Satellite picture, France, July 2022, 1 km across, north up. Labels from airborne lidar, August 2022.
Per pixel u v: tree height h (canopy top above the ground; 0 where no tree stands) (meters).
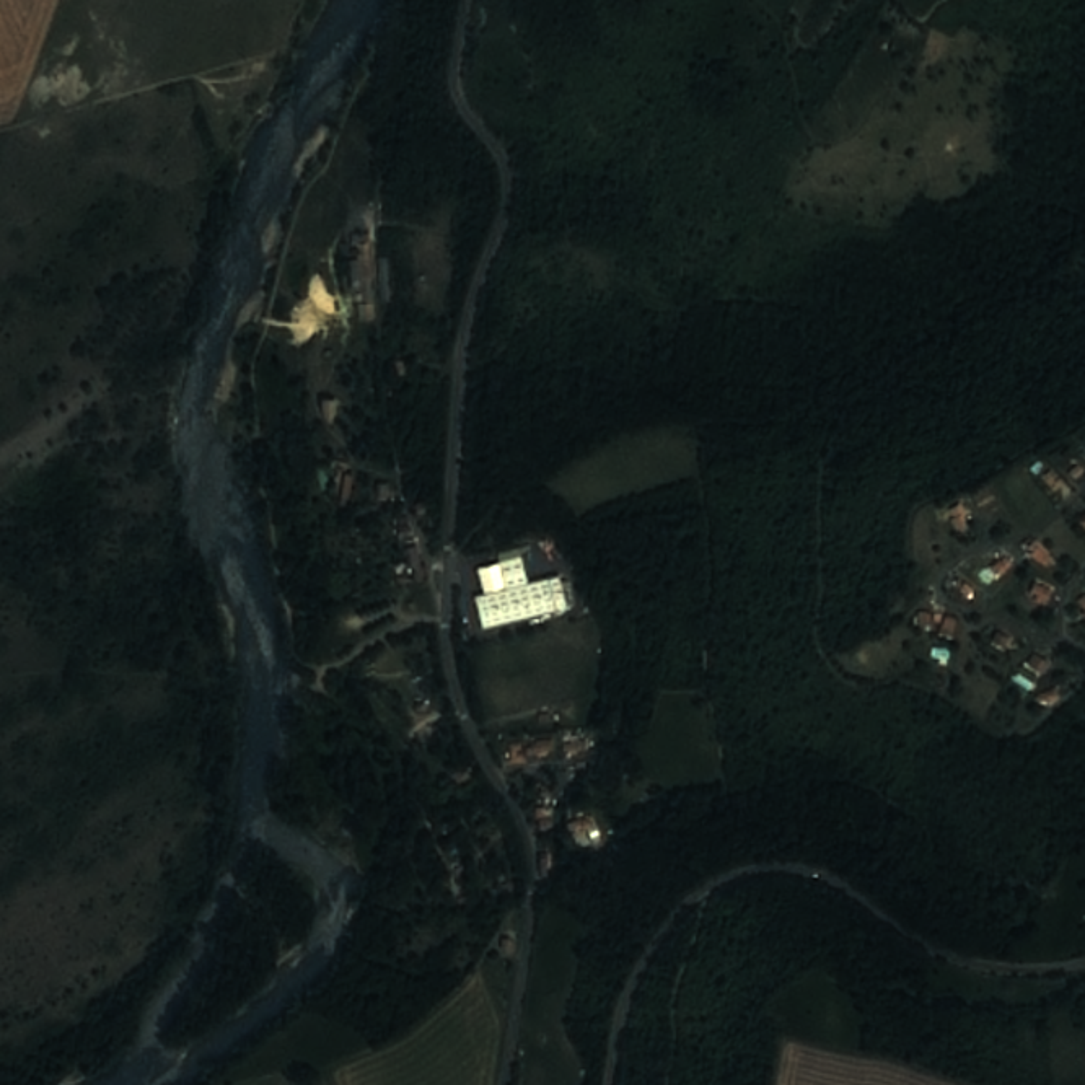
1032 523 0
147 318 10
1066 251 23
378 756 9
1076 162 25
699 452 8
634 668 12
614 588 12
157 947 7
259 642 0
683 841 19
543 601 0
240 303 0
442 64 14
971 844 11
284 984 0
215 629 17
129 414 9
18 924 0
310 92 0
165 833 0
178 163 0
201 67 0
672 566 16
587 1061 10
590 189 8
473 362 7
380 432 17
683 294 10
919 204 14
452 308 7
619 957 19
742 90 10
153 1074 0
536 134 7
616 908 16
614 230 9
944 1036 12
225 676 15
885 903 19
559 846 21
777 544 7
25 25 0
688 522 16
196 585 21
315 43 0
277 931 17
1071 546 0
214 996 29
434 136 11
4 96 0
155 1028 0
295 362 0
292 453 21
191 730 10
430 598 0
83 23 0
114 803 0
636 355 12
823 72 11
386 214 5
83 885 0
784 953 10
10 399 0
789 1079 0
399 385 8
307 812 6
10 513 8
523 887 15
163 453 7
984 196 11
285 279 0
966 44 0
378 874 17
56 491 8
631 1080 6
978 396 14
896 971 8
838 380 23
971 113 11
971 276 23
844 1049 0
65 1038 10
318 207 0
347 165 0
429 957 10
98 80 0
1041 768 12
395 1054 0
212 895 18
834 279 13
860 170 0
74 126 0
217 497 0
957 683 12
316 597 13
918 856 26
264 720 0
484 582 0
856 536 7
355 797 23
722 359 13
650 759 0
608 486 0
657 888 22
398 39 20
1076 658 14
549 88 7
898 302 17
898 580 6
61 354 0
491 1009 0
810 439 13
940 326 30
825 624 9
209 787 9
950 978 0
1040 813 9
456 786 15
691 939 7
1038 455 6
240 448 11
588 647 0
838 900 13
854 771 11
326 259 0
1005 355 15
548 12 8
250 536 0
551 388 13
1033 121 19
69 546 12
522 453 19
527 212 13
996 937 15
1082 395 11
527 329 6
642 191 9
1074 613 9
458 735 14
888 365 22
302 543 13
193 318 20
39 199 0
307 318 0
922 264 17
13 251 0
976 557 0
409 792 15
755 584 10
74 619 6
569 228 6
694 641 6
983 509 0
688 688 8
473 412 7
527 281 7
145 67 0
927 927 17
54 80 0
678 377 17
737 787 11
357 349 0
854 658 0
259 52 0
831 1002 0
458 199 7
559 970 0
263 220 0
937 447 7
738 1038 9
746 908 13
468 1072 0
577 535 11
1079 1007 17
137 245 0
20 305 0
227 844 27
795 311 15
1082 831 18
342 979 12
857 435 12
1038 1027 8
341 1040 0
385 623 10
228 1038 0
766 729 7
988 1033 7
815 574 14
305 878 0
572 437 20
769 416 8
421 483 12
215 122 0
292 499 24
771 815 27
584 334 8
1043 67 10
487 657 0
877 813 23
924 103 0
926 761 9
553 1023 0
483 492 14
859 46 9
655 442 0
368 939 8
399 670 0
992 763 14
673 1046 7
